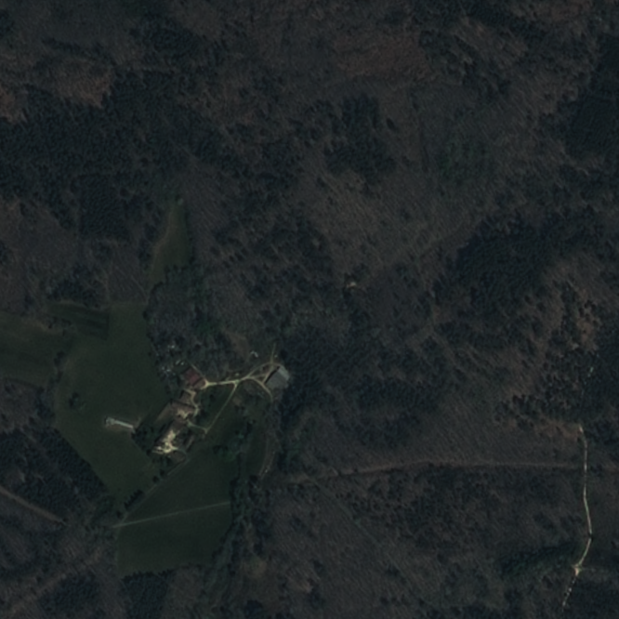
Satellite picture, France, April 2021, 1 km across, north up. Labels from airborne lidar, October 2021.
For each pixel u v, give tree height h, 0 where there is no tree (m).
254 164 7
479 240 9
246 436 9
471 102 18
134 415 0
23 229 9
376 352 27
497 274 15
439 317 9
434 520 8
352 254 12
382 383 20
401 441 27
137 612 19
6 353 0
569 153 17
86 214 17
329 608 13
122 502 7
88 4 7
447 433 19
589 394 26
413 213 20
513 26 16
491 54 14
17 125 11
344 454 16
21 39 8
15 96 6
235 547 17
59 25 10
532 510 11
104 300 18
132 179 18
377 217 20
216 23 8
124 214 15
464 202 16
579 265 8
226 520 0
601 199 17
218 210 15
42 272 14
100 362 0
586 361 30
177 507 0
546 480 10
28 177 21
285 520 16
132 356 0
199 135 19
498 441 16
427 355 23
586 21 9
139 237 14
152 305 11
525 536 10
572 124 16
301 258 11
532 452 10
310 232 14
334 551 12
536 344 14
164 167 21
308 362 20
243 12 6
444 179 18
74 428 0
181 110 16
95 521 10
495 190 22
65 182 22
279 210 12
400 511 11
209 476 0
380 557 11
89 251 20
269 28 7
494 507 11
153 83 25
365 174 25
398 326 15
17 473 16
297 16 8
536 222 11
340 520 10
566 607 11
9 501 16
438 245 9
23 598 17
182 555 0
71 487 8
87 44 10
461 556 12
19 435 19
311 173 12
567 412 26
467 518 10
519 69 12
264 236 13
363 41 6
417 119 9
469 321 23
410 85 8
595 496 6
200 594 11
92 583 16
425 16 18
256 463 0
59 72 10
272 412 14
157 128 22
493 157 17
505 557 10
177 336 20
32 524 17
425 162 6
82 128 25
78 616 21
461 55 15
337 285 10
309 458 21
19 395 20
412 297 16
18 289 8
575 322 28
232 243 12
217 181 17
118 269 11
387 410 26
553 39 10
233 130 9
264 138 6
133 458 0
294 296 23
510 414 27
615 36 10
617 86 11
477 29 14
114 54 12
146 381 0
